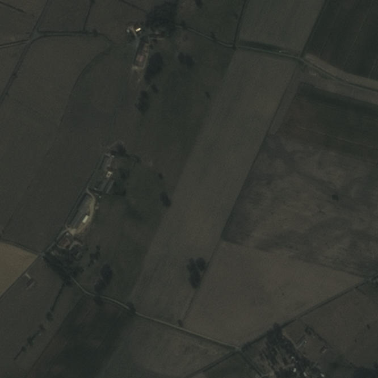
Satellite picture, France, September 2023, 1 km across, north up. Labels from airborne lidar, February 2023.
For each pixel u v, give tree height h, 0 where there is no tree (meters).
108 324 0
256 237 0
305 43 0
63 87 0
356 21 0
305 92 0
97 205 0
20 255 0
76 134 0
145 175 0
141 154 0
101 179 0
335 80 0
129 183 0
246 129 0
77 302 0
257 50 0
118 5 0
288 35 0
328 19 0
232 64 0
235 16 10
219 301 0
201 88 0
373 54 0
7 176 0
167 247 0
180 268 0
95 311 0
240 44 0
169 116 0
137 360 0
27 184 0
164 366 0
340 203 0
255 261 0
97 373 0
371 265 0
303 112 0
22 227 0
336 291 0
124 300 0
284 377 9
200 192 0
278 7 0
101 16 0
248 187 0
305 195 0
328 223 0
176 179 0
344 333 0
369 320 0
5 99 0
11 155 0
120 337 0
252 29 0
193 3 0
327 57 0
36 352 0
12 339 0
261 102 0
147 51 0
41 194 0
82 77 0
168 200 17
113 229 0
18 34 0
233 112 0
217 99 0
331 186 0
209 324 0
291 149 0
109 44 0
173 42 0
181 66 0
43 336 0
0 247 0
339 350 0
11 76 0
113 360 0
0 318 0
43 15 0
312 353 0
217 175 0
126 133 0
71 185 0
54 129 0
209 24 0
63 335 0
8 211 0
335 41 0
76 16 0
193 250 0
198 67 0
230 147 0
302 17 0
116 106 0
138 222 0
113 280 0
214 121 0
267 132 0
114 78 0
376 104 0
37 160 0
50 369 0
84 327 0
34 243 0
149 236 0
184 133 0
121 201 0
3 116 0
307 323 0
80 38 0
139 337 0
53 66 0
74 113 0
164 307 0
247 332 0
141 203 0
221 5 0
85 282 0
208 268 0
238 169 0
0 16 0
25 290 0
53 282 0
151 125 0
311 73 0
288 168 0
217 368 0
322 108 0
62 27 0
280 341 12
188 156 0
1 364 0
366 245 0
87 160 0
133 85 0
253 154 0
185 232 0
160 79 0
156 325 0
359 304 0
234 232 0
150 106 0
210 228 0
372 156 0
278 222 0
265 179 0
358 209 0
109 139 0
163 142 0
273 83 0
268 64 0
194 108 0
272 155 0
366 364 0
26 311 0
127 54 0
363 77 0
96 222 0
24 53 0
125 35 0
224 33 0
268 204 0
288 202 0
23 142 0
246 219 0
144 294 0
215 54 0
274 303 0
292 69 0
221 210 0
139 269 0
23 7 0
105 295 0
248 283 0
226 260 0
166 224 0
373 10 0
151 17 12
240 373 0
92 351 0
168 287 0
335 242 0
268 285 0
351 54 0
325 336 0
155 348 0
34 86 0
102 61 0
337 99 0
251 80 0
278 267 0
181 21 0
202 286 0
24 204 0
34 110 0
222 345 0
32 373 0
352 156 0
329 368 0
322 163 0
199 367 0
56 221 0
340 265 0
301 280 0
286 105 0
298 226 0
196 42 0
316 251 0
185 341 0
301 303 0
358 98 0
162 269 0
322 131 0
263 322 0
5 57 0
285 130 0
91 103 0
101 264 0
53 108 0
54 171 0
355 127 0
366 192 0
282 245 0
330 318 0
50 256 11
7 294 0
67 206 0
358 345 0
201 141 0
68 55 0
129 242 0
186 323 0
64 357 0
